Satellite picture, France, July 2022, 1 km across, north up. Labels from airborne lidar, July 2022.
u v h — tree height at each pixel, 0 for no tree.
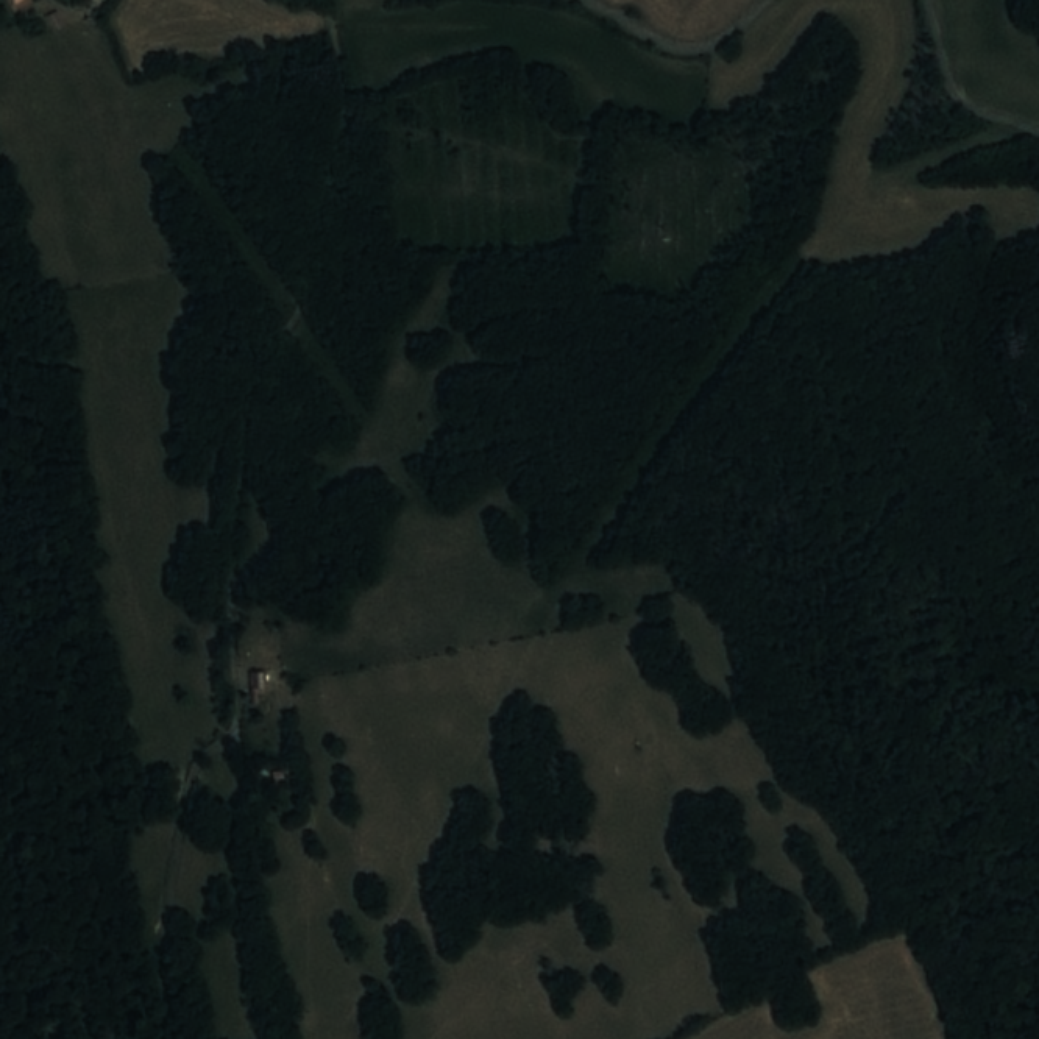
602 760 0
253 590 24
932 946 22
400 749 0
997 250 19
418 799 0
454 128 0
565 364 24
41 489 27
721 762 0
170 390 21
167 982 17
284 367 22
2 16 6
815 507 25
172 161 10
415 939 25
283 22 0
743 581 30
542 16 0
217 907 19
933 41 14
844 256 0
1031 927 29
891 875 26
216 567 20
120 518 0
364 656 0
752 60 0
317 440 22
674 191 0
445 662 0
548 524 26
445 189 0
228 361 20
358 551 27
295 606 20
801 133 21
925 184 14
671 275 0
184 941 23
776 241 20
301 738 17
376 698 0
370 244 23
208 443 20
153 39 0
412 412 0
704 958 0
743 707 24
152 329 0
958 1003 20
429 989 22
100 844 29
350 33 0
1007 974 29
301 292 20
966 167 16
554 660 0
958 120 14
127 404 0
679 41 0
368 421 0
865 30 0
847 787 30
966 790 23
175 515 0
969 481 23
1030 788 23
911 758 24
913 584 23
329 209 24
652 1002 0
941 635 27
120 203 0
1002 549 23
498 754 18
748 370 25
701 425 24
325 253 26
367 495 23
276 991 21
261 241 16
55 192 0
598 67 0
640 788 0
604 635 0
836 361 25
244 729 8
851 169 0
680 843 27
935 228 0
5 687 29
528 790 27
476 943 17
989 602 28
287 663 0
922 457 29
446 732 0
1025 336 27
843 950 17
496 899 23
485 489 15
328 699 0
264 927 23
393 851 0
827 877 22
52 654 32
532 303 25
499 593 0
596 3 0
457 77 13
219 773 0
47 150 0
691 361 19
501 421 27
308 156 26
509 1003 0
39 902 26
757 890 13
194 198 12
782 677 27
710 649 0
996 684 27
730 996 20
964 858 27
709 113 13
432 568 0
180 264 14
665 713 0
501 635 0
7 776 26
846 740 28
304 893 0
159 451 0
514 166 0
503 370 20
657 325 27
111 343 0
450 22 0
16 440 36
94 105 0
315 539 28
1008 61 0
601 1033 0
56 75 0
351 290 27
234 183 24
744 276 16
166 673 0
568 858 25
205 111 25
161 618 0
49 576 20
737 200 0
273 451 22
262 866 13
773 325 14
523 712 20
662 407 14
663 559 19
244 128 25
